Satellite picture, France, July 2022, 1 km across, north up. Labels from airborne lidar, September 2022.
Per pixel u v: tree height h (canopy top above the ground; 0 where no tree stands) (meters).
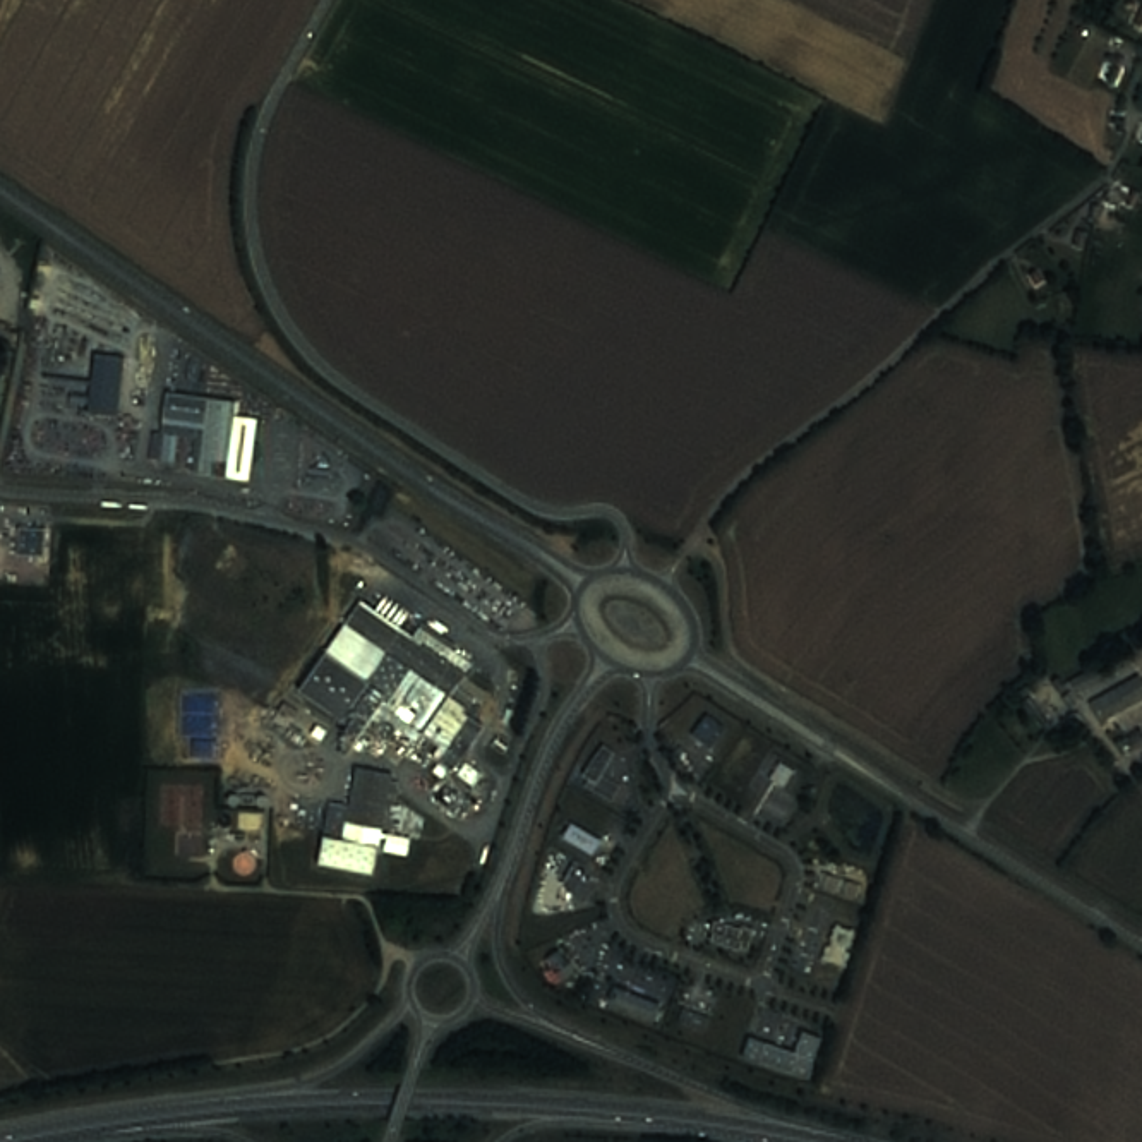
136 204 0
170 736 0
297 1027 0
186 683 0
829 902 0
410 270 0
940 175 0
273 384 0
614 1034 0
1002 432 0
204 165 0
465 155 0
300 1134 0
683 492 0
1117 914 0
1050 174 0
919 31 0
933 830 14
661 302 0
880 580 0
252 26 0
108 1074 10
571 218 0
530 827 0
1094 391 0
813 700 0
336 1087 0
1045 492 0
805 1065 0
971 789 0
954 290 0
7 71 0
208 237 0
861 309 0
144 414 0
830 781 0
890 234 0
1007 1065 0
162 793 0
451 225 0
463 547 0
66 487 0
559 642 0
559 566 0
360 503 14
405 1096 0
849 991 9
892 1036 0
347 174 0
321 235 0
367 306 0
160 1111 0
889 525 0
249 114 6
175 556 0
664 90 0
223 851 0
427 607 0
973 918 0
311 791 0
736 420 0
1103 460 0
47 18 0
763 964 0
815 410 0
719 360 0
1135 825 0
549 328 0
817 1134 0
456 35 0
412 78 0
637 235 0
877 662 0
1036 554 0
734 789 0
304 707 0
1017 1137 0
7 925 0
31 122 0
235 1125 0
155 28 0
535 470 0
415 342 0
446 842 0
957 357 0
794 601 0
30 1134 0
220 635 0
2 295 0
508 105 0
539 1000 0
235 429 0
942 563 0
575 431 0
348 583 0
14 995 0
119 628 0
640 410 0
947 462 0
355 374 0
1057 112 0
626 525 0
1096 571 23
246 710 0
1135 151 0
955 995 0
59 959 0
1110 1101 0
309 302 0
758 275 0
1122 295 0
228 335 0
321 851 0
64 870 0
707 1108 0
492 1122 0
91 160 0
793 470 0
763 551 0
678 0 0
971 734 6
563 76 0
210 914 0
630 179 0
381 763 0
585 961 0
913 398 0
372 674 0
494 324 0
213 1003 0
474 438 0
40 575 0
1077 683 0
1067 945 0
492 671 0
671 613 0
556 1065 10
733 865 0
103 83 0
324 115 0
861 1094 0
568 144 0
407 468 0
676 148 0
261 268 0
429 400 0
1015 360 8
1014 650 0
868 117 0
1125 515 0
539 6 0
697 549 0
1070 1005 0
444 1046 8
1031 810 0
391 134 0
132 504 0
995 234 0
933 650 0
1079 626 0
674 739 0
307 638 0
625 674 0
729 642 0
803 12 0
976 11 0
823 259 0
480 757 0
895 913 0
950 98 0
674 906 0
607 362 0
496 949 0
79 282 0
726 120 0
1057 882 0
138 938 0
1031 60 0
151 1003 0
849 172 0
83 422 0
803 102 0
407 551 0
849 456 0
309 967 0
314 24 0
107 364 0
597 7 0
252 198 0
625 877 0
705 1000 0
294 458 0
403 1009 0
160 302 0
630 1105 0
